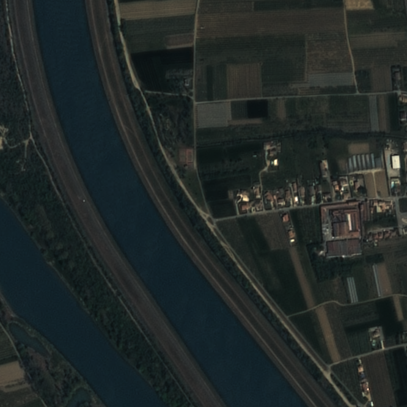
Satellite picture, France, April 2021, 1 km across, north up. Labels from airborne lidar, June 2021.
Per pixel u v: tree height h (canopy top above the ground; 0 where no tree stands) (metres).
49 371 18
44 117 0
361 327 0
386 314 0
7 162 15
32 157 5
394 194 7
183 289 0
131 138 0
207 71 0
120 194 0
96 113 0
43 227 26
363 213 0
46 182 11
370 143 0
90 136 0
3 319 16
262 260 0
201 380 0
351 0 0
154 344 22
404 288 0
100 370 0
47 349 0
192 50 0
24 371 30
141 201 0
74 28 0
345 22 0
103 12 0
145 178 0
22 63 0
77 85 0
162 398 14
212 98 0
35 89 0
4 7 8
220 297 0
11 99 7
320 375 11
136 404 0
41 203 6
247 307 0
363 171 0
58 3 0
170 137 20
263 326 0
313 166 0
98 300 13
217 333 0
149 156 0
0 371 0
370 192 0
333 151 0
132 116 0
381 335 0
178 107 0
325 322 0
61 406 27
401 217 0
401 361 0
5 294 0
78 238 19
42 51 0
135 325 17
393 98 0
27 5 0
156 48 0
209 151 0
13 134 8
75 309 0
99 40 0
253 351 0
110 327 7
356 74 8
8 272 0
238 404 0
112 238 0
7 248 0
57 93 0
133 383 0
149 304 0
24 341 0
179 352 0
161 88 0
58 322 0
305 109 0
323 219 0
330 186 0
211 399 0
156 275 0
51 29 0
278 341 0
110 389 0
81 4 0
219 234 0
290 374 0
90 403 8
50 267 0
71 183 0
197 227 25
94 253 22
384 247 0
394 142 0
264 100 0
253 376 0
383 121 0
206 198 0
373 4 0
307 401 0
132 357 17
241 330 0
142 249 0
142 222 0
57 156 0
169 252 0
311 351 0
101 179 0
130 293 0
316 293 0
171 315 0
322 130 16
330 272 14
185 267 0
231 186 0
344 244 0
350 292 0
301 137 12
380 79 0
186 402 9
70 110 0
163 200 0
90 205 0
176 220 0
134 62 0
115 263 0
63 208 16
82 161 0
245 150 0
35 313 0
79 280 11
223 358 0
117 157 0
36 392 36
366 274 0
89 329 0
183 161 0
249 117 0
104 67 0
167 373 16
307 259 0
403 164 0
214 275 0
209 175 6
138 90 7
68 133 0
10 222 0
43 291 0
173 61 0
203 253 0
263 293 0
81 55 0
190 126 19
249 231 0
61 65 0
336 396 10
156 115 9
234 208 0
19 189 14
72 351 0
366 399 11
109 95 0
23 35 0
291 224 0
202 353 0
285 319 0
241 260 0
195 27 0
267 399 0
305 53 0
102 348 0
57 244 24
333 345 0
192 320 0
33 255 0
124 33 16
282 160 0
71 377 20
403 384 0
